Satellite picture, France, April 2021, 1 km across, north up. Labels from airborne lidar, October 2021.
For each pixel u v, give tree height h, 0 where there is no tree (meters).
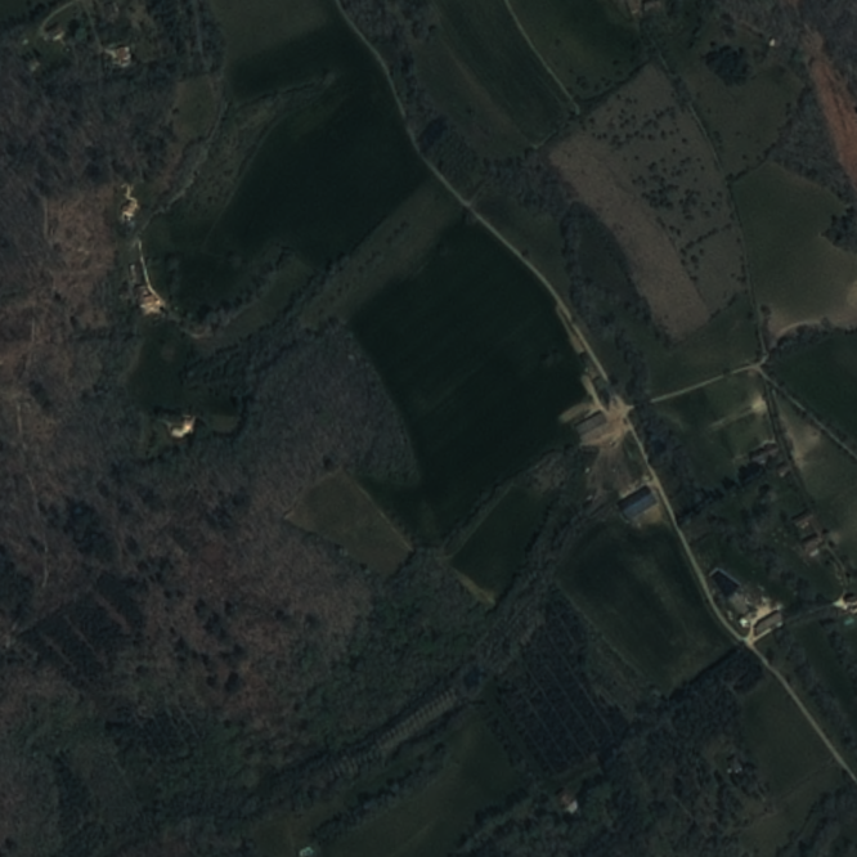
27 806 14
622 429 0
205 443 17
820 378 0
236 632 7
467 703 15
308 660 19
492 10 0
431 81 0
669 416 0
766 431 0
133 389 0
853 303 0
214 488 14
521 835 20
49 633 9
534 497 0
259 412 24
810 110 21
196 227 0
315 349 22
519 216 0
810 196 0
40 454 19
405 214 0
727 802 23
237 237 0
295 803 9
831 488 0
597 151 0
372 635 17
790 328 0
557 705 13
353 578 22
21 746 15
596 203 0
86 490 13
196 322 8
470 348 0
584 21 0
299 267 0
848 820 14
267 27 0
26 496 18
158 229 0
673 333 0
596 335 14
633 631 0
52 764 22
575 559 0
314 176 0
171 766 15
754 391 0
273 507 19
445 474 0
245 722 8
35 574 13
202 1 13
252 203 0
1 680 8
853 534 0
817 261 0
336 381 19
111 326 11
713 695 23
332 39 0
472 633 18
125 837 14
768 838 0
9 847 10
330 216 0
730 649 0
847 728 14
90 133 19
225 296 0
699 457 0
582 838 29
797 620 18
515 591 13
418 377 0
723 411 0
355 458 16
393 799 15
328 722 25
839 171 18
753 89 0
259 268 0
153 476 20
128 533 13
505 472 0
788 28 19
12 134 11
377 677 26
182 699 13
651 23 10
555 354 10
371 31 27
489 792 0
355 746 12
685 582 0
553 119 0
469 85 0
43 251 15
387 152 0
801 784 0
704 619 0
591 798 20
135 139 19
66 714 18
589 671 6
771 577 13
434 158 32
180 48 15
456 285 0
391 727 9
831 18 18
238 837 12
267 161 0
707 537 0
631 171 0
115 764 19
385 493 0
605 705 9
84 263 0
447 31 0
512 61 0
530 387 0
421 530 0
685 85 13
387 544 0
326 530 0
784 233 0
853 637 0
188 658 21
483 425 0
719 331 0
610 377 0
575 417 0
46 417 16
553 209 16
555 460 7
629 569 0
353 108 0
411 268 0
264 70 0
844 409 0
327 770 14
